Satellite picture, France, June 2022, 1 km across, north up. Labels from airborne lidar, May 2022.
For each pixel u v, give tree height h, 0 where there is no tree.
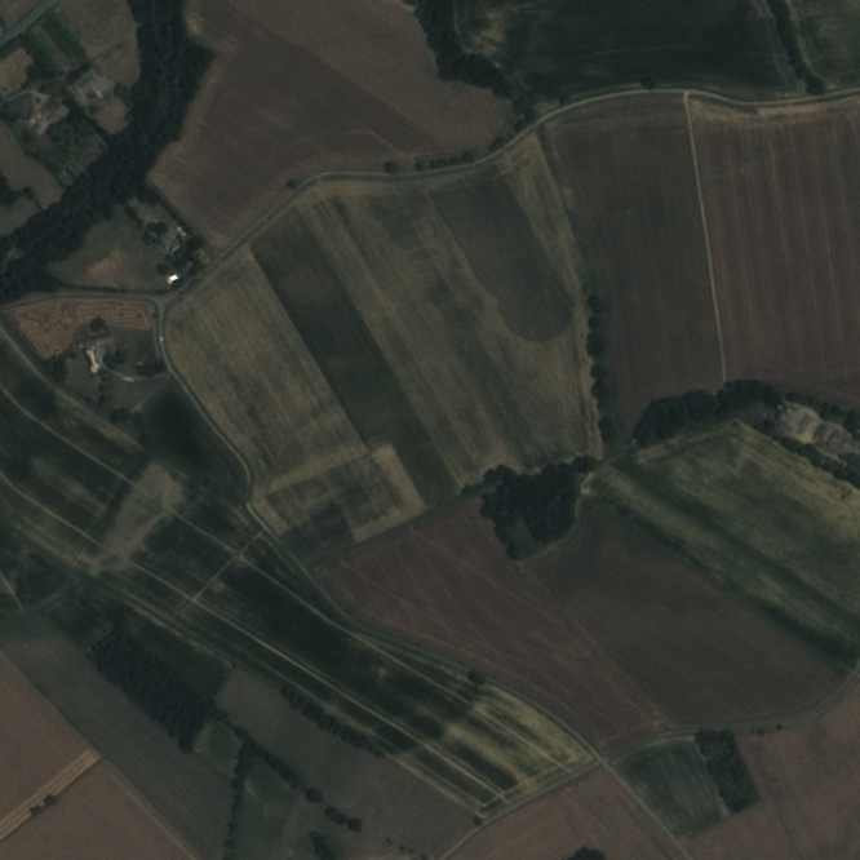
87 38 0
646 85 17
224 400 0
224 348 0
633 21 0
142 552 0
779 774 0
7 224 0
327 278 0
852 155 0
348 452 0
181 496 0
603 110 0
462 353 0
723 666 0
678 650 0
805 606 0
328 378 0
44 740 0
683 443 0
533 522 11
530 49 0
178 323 0
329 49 0
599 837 0
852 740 0
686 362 0
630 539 0
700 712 0
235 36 0
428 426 0
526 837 0
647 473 0
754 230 0
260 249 0
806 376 0
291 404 0
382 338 0
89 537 0
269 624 0
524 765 0
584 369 0
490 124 0
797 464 0
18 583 0
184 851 0
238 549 0
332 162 0
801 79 16
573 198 0
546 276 0
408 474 0
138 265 0
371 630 0
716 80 0
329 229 0
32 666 0
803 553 0
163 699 14
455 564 0
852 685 0
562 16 0
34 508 0
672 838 0
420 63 0
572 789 0
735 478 0
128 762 0
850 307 0
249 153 0
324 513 0
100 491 0
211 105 0
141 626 0
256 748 16
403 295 0
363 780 0
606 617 0
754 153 0
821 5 0
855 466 8
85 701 0
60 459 0
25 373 0
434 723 0
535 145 0
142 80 12
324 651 0
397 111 0
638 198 0
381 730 0
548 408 0
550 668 0
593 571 0
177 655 0
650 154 0
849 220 0
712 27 0
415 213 0
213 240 0
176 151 0
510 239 0
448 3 16
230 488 0
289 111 0
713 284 0
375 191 0
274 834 0
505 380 0
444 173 0
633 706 0
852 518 0
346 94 0
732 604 0
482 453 0
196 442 0
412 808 0
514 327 0
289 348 0
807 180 0
